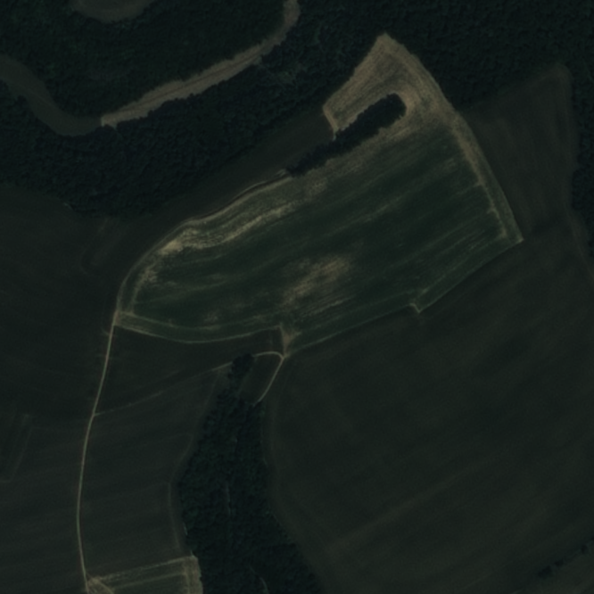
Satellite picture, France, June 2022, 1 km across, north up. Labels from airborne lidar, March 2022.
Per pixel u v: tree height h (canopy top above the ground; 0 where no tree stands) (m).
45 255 0
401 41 15
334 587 0
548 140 0
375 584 0
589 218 17
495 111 0
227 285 0
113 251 0
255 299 0
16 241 0
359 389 0
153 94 0
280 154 0
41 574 0
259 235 0
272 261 0
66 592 0
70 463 0
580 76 12
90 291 0
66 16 13
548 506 0
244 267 0
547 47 19
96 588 0
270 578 0
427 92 0
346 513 0
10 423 0
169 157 23
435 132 0
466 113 0
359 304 0
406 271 0
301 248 0
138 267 0
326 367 0
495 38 17
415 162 0
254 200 0
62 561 0
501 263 0
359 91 0
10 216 0
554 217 0
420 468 0
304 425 0
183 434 0
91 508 0
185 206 0
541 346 0
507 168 0
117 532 0
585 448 0
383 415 0
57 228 0
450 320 0
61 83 19
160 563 0
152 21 21
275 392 0
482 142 0
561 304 0
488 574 0
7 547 0
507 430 0
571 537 0
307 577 17
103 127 0
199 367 0
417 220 0
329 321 0
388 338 0
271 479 0
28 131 27
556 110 0
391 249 0
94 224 0
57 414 0
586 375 0
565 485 0
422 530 0
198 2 19
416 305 0
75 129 0
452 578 0
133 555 0
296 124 0
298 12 0
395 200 0
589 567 0
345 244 0
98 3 0
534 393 0
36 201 0
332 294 0
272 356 0
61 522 0
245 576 25
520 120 0
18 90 0
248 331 0
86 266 0
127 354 0
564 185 0
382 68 0
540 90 0
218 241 0
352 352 0
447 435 0
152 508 0
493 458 0
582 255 0
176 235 0
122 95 16
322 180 0
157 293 0
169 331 0
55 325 0
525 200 0
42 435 0
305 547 0
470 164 0
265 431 0
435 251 0
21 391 0
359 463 0
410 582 0
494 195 0
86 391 0
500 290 0
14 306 0
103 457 0
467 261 0
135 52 14
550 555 0
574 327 0
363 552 0
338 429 0
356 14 20
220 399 11
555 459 0
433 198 0
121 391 0
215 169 19
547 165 0
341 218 0
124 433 0
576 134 0
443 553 0
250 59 0
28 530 0
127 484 0
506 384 0
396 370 0
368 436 0
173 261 0
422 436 0
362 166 0
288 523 0
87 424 0
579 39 17
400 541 0
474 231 0
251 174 0
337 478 0
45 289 0
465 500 0
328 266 0
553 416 0
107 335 0
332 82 18
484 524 0
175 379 0
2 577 0
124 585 0
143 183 25
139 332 0
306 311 0
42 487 0
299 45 19
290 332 0
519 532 0
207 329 0
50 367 0
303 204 0
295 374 0
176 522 0
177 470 0
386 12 17
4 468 0
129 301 0
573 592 0
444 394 0
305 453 0
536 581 0
